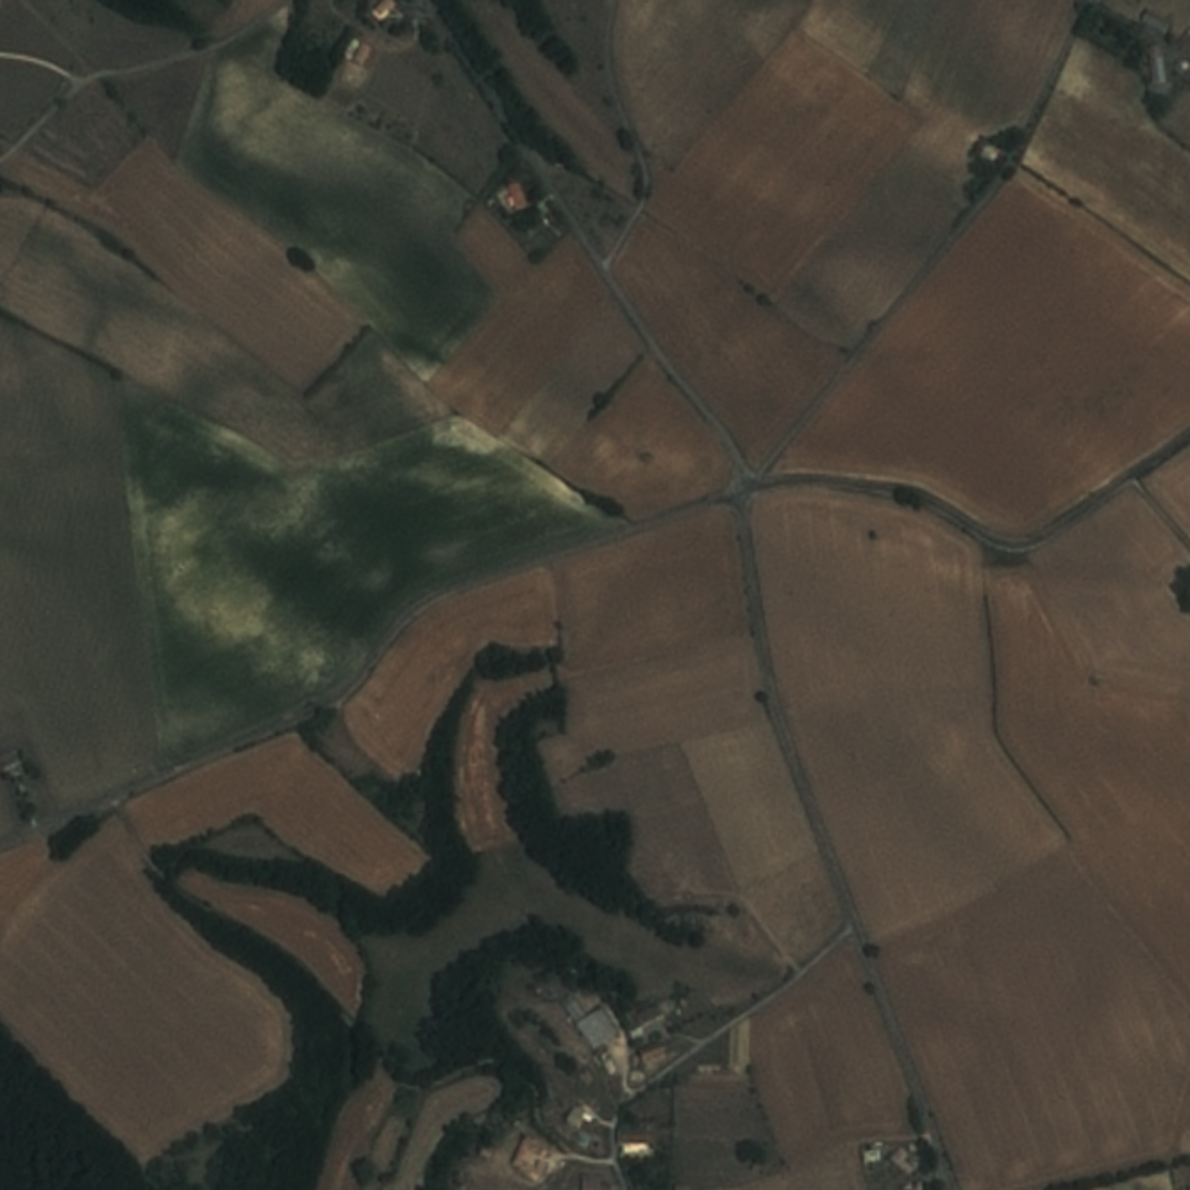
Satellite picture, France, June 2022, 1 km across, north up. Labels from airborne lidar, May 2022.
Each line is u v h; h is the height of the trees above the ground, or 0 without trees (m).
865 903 0
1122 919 0
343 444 0
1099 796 0
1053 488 0
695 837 0
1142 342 0
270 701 0
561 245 0
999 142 10
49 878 0
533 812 18
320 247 0
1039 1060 0
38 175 0
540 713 13
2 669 0
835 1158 0
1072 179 0
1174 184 0
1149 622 0
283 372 0
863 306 0
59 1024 0
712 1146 0
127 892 0
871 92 0
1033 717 0
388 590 0
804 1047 0
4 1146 12
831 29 0
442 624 0
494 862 0
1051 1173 0
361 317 0
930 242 0
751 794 0
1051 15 0
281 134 0
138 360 0
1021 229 0
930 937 0
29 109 0
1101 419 0
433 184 0
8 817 0
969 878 0
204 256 0
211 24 0
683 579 0
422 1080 17
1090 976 0
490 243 0
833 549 0
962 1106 0
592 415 7
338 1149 0
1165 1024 0
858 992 0
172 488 0
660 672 0
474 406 0
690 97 0
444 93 0
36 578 0
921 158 0
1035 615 0
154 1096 0
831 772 0
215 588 0
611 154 0
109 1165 13
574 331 0
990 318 0
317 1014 17
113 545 0
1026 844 0
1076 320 0
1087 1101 0
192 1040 0
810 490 0
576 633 0
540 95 0
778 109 0
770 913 0
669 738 0
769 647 0
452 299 0
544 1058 0
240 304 0
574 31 0
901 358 0
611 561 0
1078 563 0
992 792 0
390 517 0
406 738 0
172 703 0
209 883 0
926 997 0
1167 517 0
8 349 0
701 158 0
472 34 11
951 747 0
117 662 0
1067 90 0
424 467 0
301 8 9
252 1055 0
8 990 0
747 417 0
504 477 0
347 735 0
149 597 0
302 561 0
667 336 0
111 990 0
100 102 0
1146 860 0
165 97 0
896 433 0
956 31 0
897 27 0
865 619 0
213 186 0
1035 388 0
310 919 0
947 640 0
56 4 0
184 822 0
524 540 0
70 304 0
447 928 0
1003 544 0
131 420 0
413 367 0
